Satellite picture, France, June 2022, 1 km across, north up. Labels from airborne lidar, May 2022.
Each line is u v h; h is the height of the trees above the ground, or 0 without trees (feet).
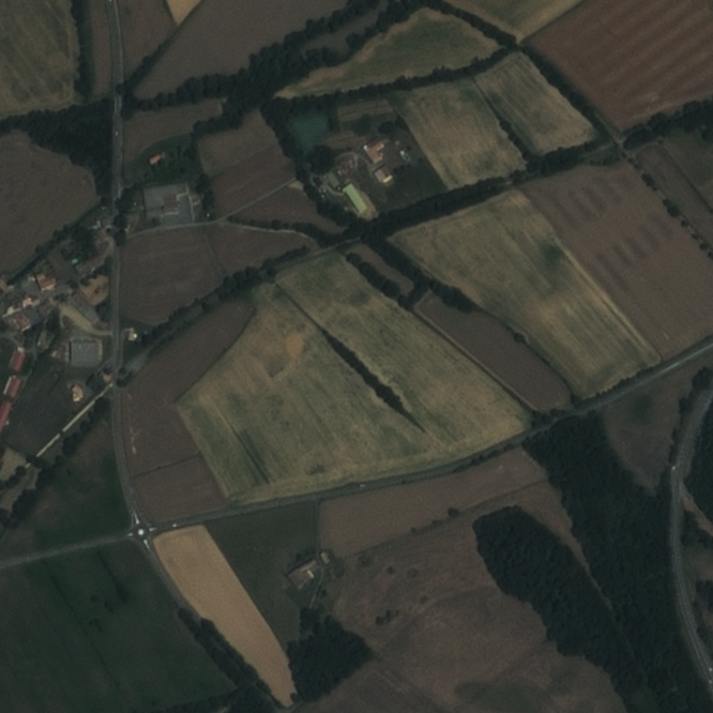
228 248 0
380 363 0
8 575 0
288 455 0
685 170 0
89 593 0
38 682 0
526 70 0
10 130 49
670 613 63
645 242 0
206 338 0
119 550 0
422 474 0
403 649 0
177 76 0
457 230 0
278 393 0
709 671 0
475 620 0
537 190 0
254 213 0
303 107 60
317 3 0
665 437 0
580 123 0
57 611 0
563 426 57
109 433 0
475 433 0
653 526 41
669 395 0
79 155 59
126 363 0
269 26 0
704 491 54
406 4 45
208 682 0
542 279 0
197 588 0
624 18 0
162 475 0
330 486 0
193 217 0
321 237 38
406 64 0
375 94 30
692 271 0
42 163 0
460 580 0
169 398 0
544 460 36
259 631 0
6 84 0
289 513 0
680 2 0
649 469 0
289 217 0
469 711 0
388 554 0
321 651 59
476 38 0
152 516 0
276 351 0
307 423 0
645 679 73
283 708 22
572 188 0
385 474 0
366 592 0
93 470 0
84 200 0
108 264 28
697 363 0
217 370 0
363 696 0
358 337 0
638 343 0
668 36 0
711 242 0
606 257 0
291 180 0
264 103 45
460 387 0
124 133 0
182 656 0
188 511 0
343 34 0
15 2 0
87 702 0
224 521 0
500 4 0
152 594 0
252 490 0
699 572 0
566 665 0
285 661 0
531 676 0
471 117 0
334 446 0
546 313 0
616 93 0
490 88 0
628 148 38
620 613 46
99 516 0
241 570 0
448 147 0
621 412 0
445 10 56
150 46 0
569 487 62
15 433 0
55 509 0
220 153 0
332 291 0
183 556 0
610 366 0
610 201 0
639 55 0
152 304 0
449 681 0
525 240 0
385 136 62
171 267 0
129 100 59
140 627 0
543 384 0
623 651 90
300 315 0
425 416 0
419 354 0
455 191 27
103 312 58
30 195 0
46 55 0
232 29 0
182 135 0
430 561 0
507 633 0
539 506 0
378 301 0
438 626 0
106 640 0
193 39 0
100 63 0
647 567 56
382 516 0
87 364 0
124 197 39
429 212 52
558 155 54
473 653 0
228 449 0
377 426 0
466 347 0
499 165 0
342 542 0
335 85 0
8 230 0
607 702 0
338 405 0
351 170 0
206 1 0
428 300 0
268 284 0
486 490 0
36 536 0
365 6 65
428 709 0
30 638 0
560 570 75
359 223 43
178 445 0
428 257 0
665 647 57
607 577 89
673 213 43
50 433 0
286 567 0
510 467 0
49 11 0
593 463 46
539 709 0
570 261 0
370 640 0
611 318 0
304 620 50
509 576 74
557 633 63
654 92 0
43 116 51
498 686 0
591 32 0
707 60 0
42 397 0
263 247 0
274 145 0
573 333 0
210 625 48
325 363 0
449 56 0
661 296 0
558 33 0
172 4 0
